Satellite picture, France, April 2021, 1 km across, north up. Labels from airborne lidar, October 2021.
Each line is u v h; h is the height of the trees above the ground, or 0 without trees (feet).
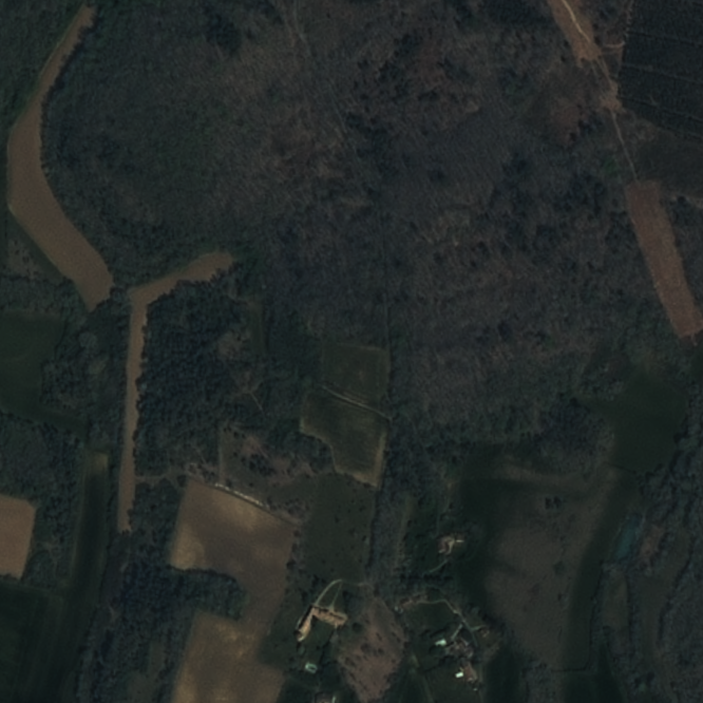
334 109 49
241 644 0
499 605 0
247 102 76
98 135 51
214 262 0
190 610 60
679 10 39
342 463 0
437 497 60
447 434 51
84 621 0
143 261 46
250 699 0
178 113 75
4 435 75
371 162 73
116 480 28
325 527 0
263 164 62
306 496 0
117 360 56
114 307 48
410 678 0
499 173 72
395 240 67
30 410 0
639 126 72
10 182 0
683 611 47
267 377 47
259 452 26
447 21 48
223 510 0
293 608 0
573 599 0
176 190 60
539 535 0
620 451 0
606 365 36
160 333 32
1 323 0
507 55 53
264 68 64
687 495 54
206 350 54
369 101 49
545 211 59
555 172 71
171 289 0
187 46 73
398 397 66
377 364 0
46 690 0
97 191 39
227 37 84
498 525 0
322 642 0
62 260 0
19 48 56
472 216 60
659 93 33
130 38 73
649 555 0
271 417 54
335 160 73
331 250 40
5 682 0
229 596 60
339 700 0
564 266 44
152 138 69
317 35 21
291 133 37
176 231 46
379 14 32
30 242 0
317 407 0
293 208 53
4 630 0
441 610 0
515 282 24
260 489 0
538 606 0
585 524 0
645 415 0
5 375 0
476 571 0
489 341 31
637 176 23
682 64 31
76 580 0
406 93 41
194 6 72
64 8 75
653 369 0
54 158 43
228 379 73
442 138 51
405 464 60
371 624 35
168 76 68
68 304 74
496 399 75
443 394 80
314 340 57
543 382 59
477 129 67
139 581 62
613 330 73
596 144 64
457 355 67
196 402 41
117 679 20
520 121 68
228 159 52
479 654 55
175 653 56
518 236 81
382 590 61
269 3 53
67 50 0
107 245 54
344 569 0
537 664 41
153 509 20
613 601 0
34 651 0
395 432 60
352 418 0
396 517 66
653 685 57
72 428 0
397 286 71
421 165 53
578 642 0
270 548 0
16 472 76
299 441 51
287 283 73
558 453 74
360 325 57
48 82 0
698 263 76
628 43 40
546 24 57
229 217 64
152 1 86
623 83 31
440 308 40
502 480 0
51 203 0
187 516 0
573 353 58
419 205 59
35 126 0
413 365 61
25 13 91
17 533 0
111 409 23
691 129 44
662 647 47
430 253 60
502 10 58
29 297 58
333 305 59
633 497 0
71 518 32
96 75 59
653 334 50
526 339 36
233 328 54
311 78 52
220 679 0
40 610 0
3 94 73
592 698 0
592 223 52
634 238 40
